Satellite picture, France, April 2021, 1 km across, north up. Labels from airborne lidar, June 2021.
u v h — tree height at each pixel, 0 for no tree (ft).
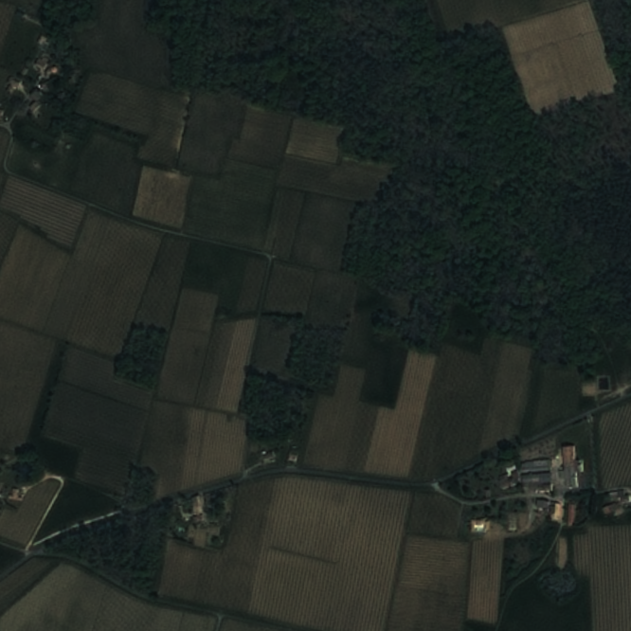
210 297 0
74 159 0
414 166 45
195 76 63
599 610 0
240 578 0
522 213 74
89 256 0
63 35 67
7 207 0
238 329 0
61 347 0
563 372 0
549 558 0
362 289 0
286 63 29
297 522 0
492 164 63
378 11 59
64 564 0
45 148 24
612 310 79
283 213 0
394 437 0
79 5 66
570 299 69
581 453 0
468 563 0
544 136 64
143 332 43
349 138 56
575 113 55
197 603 0
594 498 50
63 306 0
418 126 44
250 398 50
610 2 46
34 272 0
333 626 0
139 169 0
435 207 58
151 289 0
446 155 56
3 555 0
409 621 0
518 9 0
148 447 0
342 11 64
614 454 0
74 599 0
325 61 67
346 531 0
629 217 77
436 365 0
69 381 0
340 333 40
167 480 0
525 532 0
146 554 59
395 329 58
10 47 0
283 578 0
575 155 65
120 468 0
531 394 0
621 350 0
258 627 0
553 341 49
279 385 61
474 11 0
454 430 0
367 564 0
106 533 79
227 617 0
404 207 58
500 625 0
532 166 58
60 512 0
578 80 0
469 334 39
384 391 0
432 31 84
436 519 0
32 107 0
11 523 0
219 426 0
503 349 0
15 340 0
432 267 66
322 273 0
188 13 75
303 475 0
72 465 0
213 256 0
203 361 0
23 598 0
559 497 0
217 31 52
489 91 63
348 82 42
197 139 0
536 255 67
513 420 0
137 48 0
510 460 31
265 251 0
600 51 0
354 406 0
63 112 29
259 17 55
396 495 0
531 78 0
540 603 0
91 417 0
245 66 81
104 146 0
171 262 0
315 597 0
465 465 0
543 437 0
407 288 35
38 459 57
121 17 0
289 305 0
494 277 80
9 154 0
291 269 0
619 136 24
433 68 71
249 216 0
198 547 0
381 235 77
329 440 0
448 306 49
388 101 70
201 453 0
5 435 0
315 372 56
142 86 0
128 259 0
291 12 39
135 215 0
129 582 30
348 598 0
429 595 0
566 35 0
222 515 31
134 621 0
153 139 0
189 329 0
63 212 0
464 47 64
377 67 79
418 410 0
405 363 0
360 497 0
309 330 46
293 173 0
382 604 0
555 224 66
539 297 61
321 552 0
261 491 0
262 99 67
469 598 0
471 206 53
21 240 0
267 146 0
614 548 0
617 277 68
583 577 0
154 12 68
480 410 0
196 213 0
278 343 0
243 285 0
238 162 0
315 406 0
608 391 0
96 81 0
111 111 0
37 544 0
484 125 67
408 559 0
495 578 0
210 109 0
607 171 55
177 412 0
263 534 0
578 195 71
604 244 76
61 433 0
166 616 0
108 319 0
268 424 73
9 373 0
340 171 0
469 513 0
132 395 0
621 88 52
